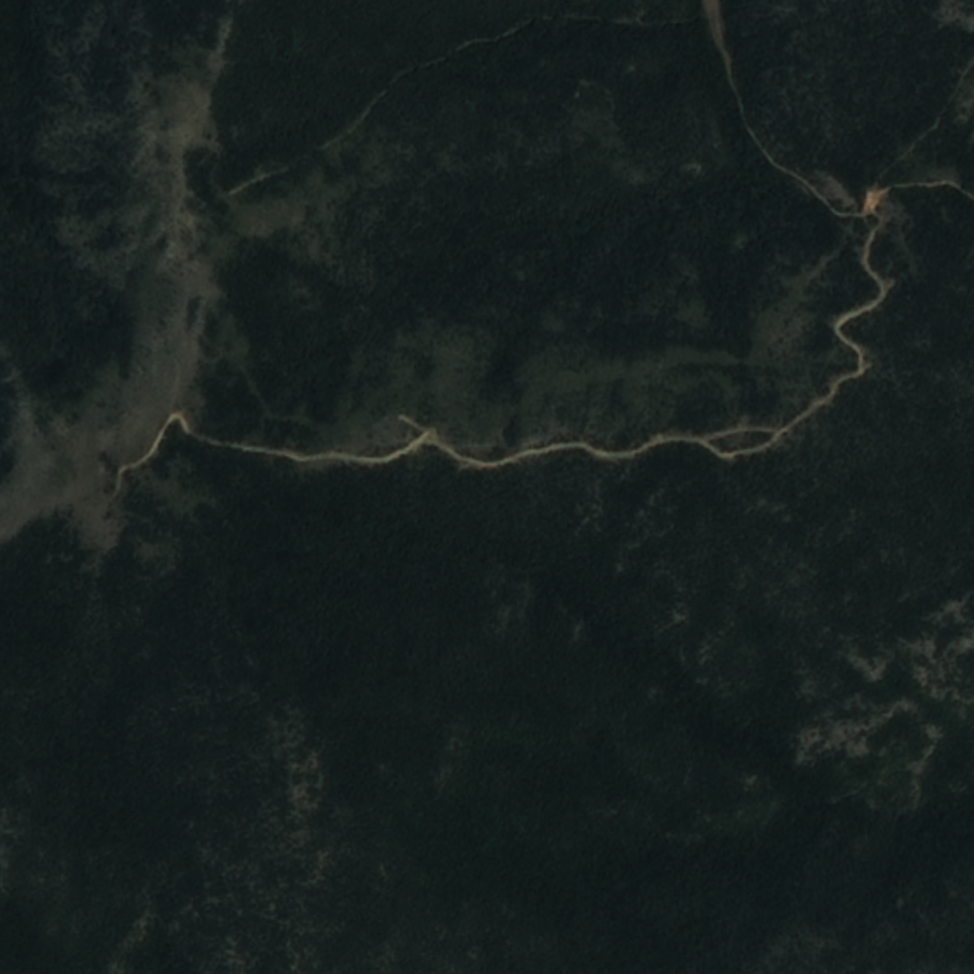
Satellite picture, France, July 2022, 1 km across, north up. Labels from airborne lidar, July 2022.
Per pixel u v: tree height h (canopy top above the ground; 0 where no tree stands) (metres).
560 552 6
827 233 8
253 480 6
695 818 8
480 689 7
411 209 5
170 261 0
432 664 6
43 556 6
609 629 11
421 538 11
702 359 0
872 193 0
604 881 8
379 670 6
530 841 8
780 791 7
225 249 0
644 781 9
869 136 6
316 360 11
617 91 5
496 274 7
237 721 6
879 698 6
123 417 0
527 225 10
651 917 5
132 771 6
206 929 6
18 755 6
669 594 5
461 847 8
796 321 0
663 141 6
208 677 5
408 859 7
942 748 9
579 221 11
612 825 7
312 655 7
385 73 8
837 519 6
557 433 0
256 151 8
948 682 6
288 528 6
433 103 6
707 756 6
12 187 12
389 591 10
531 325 7
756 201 10
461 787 9
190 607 7
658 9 8
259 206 0
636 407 0
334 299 6
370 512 7
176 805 5
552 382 0
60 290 7
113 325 7
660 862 9
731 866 8
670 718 9
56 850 5
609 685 6
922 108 8
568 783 9
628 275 7
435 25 6
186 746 6
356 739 7
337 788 6
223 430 9
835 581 6
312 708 5
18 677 7
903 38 5
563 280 7
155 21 6
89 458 0
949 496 6
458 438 0
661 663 10
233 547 6
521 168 6
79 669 8
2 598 7
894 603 6
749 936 7
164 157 0
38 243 7
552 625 6
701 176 7
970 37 6
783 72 6
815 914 5
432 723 6
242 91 7
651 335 7
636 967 6
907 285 5
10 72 8
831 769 7
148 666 6
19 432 0
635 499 6
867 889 6
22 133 7
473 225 6
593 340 6
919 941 6
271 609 6
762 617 6
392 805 6
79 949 6
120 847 6
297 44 7
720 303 7
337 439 0
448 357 0
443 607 9
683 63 8
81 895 6
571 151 6
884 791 7
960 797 8
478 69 11
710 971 6
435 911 6
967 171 6
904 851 9
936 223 5
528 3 6
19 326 9
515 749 10
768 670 7
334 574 13
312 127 7
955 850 6
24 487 0
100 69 7
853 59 6
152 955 8
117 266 0
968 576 6
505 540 6
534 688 6
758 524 7
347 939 5
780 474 6
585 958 6
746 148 9
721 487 6
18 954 7
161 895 9
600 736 7
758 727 10
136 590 6
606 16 8
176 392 0
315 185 0
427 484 7
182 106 0
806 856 7
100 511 0
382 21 7
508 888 8
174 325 0
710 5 0
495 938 6
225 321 0
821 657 6
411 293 10
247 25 6
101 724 9
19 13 8
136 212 0
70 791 6
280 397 6
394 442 0
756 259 7
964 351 6
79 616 6
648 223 7
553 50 6
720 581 6
